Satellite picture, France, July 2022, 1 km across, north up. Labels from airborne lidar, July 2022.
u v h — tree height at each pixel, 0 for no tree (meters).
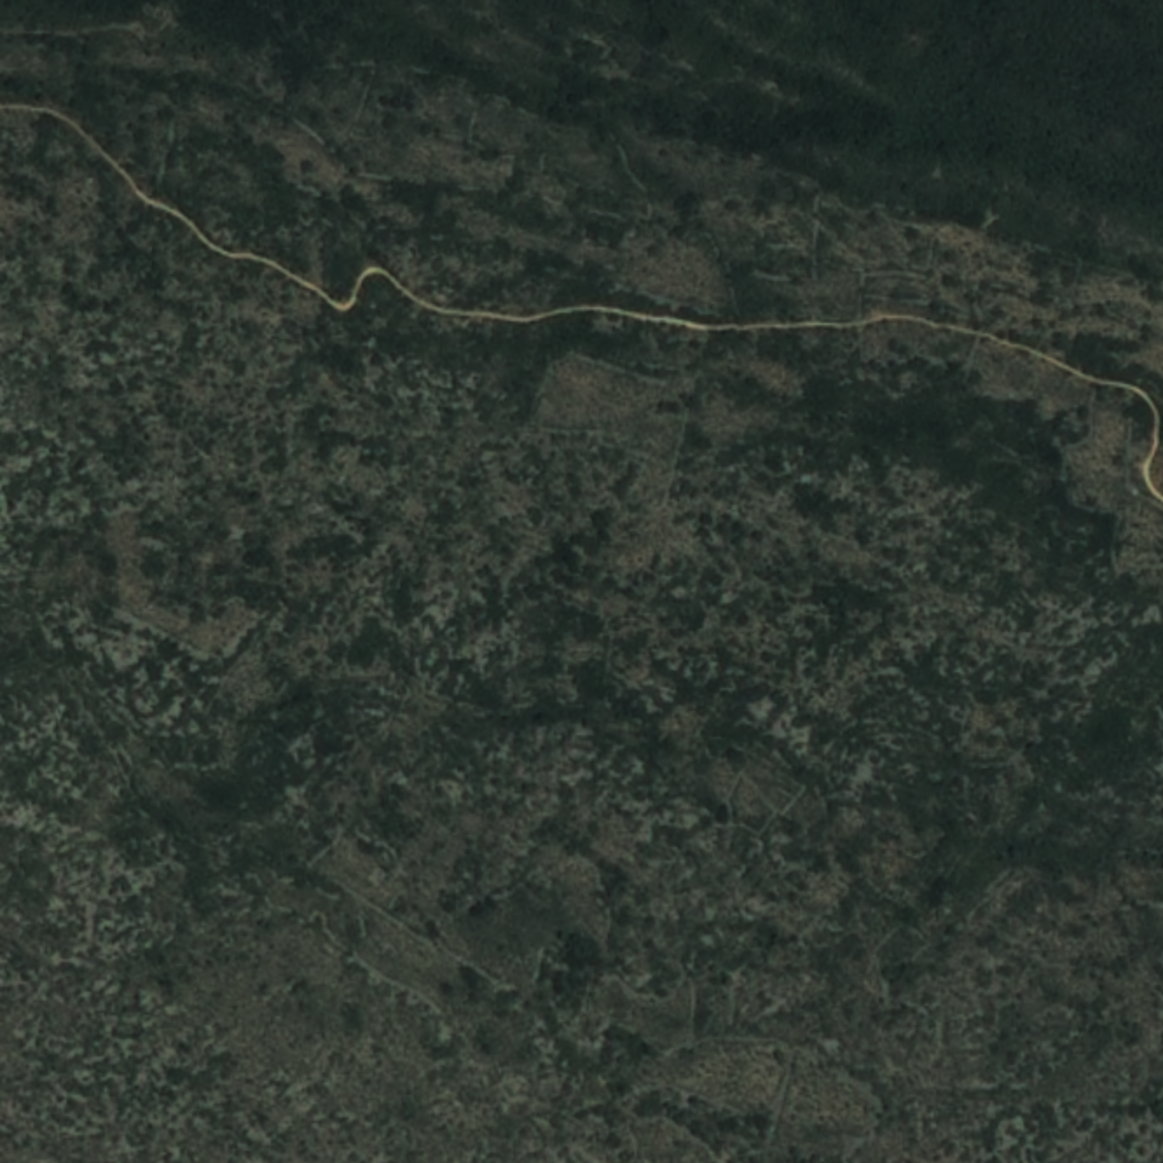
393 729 0
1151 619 0
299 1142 0
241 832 0
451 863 0
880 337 0
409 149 0
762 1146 0
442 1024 0
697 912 0
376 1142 0
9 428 0
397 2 0
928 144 7
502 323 0
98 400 0
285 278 0
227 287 0
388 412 0
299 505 0
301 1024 0
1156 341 0
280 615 0
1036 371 0
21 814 0
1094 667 0
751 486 0
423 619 0
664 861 0
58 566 0
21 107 0
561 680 0
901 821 0
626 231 0
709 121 6
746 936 0
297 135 0
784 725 0
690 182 0
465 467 0
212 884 0
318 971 0
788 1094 0
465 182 0
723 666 0
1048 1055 0
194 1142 0
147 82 6
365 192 0
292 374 0
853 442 0
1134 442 0
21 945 0
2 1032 0
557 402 0
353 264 0
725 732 0
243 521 0
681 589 0
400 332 0
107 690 0
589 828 0
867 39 6
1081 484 0
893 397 0
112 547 0
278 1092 0
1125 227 0
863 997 0
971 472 0
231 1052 0
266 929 0
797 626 0
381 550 0
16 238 0
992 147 7
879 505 0
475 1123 0
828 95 6
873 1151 0
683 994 0
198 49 7
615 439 0
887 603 0
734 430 0
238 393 0
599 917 0
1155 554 0
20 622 0
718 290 0
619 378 0
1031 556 0
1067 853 0
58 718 0
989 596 0
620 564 0
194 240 0
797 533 0
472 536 0
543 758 0
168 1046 0
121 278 0
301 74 6
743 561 0
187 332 0
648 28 6
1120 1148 0
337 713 0
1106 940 0
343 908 0
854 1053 0
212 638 0
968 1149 0
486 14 0
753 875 7
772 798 0
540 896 0
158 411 0
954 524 0
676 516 0
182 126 0
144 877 0
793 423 0
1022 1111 0
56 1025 0
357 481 0
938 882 6
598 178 0
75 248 0
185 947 0
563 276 0
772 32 6
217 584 0
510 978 0
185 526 0
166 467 0
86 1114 0
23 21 5
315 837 0
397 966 0
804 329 0
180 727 0
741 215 0
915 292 0
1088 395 0
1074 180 7
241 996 0
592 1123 0
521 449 0
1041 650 0
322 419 0
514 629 0
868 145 5
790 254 0
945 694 0
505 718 6
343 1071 0
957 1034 0
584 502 0
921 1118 0
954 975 0
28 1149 0
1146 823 0
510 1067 0
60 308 0
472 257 0
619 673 0
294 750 0
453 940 0
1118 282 0
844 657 0
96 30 0
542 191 0
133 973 0
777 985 0
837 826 0
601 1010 0
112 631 0
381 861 0
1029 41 6
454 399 0
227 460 0
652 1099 0
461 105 0
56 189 0
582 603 0
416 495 0
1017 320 0
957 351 0
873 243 0
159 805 0
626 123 0
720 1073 0
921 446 0
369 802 0
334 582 0
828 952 0
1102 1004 0
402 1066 0
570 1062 0
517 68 0
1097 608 0
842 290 0
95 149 0
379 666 0
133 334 0
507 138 0
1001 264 0
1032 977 0
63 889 0
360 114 0
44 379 0
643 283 0
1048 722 0
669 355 0
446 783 0
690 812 0
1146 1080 0
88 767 0
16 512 0
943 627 0
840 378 0
